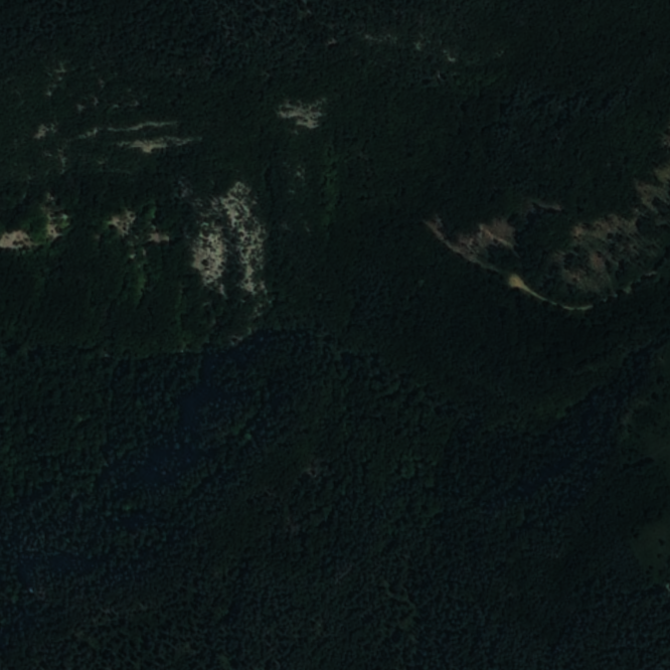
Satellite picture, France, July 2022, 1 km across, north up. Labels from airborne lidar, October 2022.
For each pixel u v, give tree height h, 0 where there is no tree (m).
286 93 14
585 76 23
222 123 20
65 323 24
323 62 22
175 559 24
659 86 28
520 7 24
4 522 19
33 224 21
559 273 25
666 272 29
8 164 10
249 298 14
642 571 22
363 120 19
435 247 20
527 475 34
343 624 22
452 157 19
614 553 20
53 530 28
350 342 20
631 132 22
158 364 23
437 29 8
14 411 16
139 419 28
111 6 18
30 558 39
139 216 14
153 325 26
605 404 27
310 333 21
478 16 16
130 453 32
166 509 17
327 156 25
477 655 23
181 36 8
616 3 21
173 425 30
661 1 19
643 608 25
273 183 13
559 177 22
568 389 30
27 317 26
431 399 19
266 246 9
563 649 27
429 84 28
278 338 16
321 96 13
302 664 21
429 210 31
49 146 11
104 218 20
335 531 29
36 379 23
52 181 22
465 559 24
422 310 23
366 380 31
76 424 23
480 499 21
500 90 24
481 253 0
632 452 10
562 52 16
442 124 25
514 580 18
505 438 23
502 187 31
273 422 25
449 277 26
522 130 29
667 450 0
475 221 25
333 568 22
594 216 25
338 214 33
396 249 23
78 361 26
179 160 22
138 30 15
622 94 29
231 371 26
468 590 25
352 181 29
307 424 24
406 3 13
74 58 15
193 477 17
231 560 25
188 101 22
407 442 39
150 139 13
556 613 19
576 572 26
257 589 22
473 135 26
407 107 14
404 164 26
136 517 24
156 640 31
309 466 26
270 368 18
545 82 23
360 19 13
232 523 30
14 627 20
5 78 10
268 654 26
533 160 25
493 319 30
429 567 32
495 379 24
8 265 26
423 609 13
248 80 20
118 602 16
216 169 18
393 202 33
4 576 34
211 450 17
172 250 25
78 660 25
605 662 27
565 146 21
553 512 24
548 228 29
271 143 18
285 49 18
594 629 31
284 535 36
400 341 30
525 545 25
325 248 16
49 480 22
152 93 14
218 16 12
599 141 20
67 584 22
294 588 15
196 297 18
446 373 20
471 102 29
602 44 20
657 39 24
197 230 10
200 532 21
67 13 18
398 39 7
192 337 28
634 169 20
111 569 23
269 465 24
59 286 28
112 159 14
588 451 26
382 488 28
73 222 21
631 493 23
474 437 32
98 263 27
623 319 17
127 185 24
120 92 8
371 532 18
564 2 24
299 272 24
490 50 17
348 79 21
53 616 34
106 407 20
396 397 35
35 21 22
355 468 29
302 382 23
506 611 24
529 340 20
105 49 13
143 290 7
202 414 9
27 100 16
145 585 24
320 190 28
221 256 0
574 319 8
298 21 11
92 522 26
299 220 9
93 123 14
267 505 37
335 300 26
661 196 0
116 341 19
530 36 18
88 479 30
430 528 25
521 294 22
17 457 30
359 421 32
